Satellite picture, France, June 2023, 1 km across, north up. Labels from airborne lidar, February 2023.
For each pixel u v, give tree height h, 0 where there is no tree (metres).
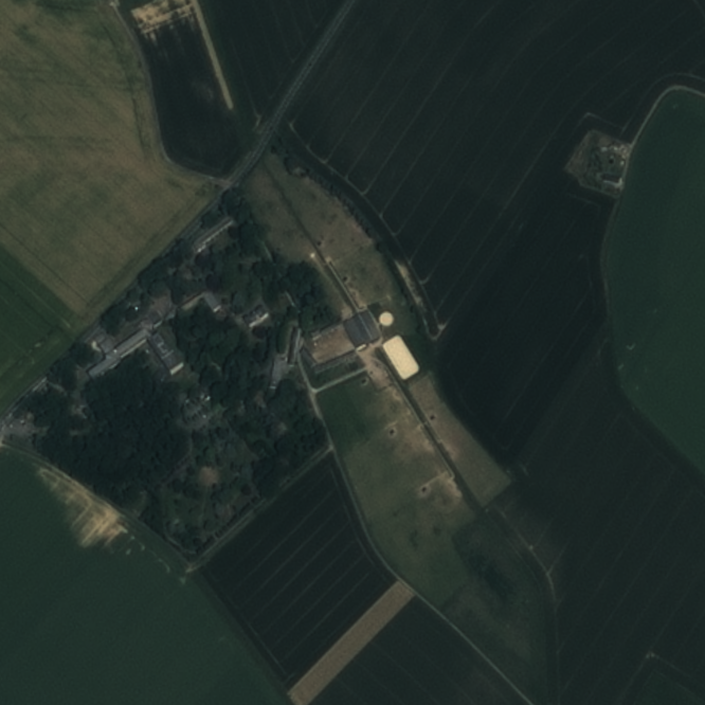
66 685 0
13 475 0
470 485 0
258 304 0
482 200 0
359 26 0
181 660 0
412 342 0
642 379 0
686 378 0
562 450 0
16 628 0
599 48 0
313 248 0
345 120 0
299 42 0
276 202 0
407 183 0
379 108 0
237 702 0
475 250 0
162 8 0
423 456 0
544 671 0
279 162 0
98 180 0
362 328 0
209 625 0
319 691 0
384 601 0
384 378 0
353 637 0
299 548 0
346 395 0
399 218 0
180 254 19
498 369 0
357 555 0
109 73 0
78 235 0
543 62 0
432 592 0
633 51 0
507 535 0
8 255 0
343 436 0
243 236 23
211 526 16
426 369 0
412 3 0
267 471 14
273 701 0
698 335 0
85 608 0
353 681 0
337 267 0
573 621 0
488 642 0
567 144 0
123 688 0
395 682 0
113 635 0
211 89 0
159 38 0
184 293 24
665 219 0
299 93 0
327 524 0
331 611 0
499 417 0
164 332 0
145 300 19
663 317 0
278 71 0
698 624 0
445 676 0
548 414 0
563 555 0
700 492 0
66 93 0
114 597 0
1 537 0
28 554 0
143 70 0
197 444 17
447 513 0
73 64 0
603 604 0
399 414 0
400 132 0
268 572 0
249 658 0
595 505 0
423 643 0
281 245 0
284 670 0
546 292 0
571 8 0
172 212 0
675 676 0
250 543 0
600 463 0
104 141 0
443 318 0
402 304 0
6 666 0
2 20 0
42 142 0
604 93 0
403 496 0
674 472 0
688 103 0
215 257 16
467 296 0
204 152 0
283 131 0
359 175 0
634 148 0
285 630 0
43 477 0
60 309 0
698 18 0
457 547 0
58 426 21
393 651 0
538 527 0
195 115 0
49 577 0
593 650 0
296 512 0
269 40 0
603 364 0
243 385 26
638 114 0
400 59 0
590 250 0
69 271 0
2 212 0
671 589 0
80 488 0
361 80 0
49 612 0
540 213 0
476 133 0
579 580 0
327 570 0
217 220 14
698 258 0
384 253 10
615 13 0
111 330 15
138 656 0
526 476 0
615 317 0
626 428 0
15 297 0
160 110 0
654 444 0
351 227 0
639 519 0
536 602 0
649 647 0
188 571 0
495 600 0
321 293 18
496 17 0
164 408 26
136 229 0
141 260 0
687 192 0
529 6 0
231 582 0
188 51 0
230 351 17
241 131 0
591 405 0
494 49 0
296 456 12
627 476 0
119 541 0
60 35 0
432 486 0
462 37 0
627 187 0
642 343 0
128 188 0
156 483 21
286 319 9
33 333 0
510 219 0
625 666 0
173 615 0
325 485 0
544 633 0
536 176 0
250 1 0
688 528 0
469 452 0
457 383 0
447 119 0
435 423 0
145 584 0
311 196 0
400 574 0
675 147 0
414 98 0
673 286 0
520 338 0
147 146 0
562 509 0
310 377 0
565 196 0
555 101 0
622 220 0
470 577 0
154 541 0
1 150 0
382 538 0
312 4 0
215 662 0
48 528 0
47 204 0
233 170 0
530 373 0
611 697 0
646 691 0
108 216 0
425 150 0
